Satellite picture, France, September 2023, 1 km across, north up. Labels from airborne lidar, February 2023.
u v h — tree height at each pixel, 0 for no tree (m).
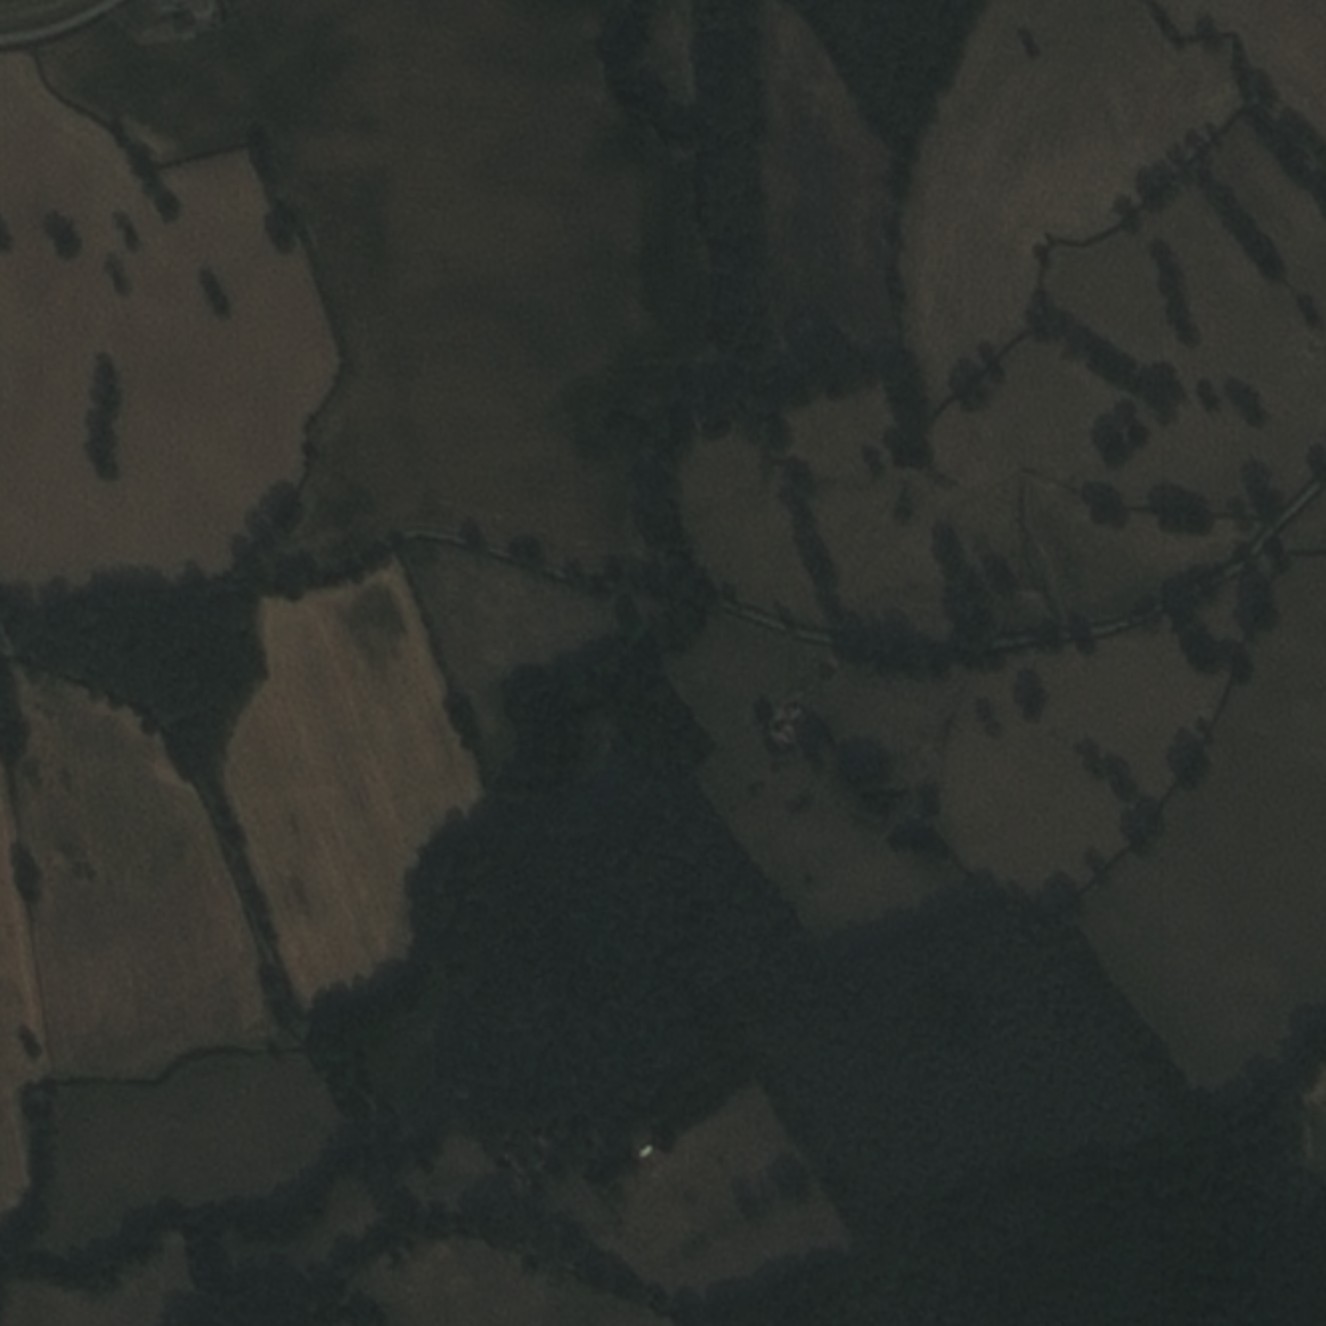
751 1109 0
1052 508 0
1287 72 0
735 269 23
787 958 26
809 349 25
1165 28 15
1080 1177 23
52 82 0
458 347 0
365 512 0
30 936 0
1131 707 0
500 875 26
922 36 20
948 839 0
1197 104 0
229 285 0
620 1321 0
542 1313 0
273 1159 0
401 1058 0
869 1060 25
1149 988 0
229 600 19
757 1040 23
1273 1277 24
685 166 0
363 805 0
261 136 12
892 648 19
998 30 0
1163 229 0
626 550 0
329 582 7
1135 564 0
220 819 11
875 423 0
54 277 0
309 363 0
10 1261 24
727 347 20
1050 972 20
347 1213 0
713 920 30
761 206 15
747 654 0
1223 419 0
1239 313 0
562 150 0
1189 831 0
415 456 0
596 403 0
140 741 0
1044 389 0
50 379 0
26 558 0
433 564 0
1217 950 0
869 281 0
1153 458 0
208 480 0
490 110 0
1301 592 0
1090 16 0
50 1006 0
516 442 0
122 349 0
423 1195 0
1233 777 0
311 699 0
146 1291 0
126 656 22
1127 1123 25
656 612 0
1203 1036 0
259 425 0
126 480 0
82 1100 0
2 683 21
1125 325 0
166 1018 0
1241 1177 9
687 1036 24
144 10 0
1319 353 0
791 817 9
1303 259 0
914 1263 15
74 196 0
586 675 23
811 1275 16
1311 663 0
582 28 0
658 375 0
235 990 0
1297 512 0
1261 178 0
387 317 0
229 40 0
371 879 0
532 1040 18
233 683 25
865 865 0
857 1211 19
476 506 0
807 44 0
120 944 0
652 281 0
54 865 0
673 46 0
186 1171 0
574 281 0
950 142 0
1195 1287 15
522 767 14
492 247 0
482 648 0
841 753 0
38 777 0
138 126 0
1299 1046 16
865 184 0
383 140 0
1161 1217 19
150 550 0
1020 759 0
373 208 0
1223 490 0
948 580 17
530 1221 23
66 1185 0
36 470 0
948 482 0
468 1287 0
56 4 0
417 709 0
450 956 34
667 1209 0
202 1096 0
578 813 29
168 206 14
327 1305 21
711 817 19
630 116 0
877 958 25
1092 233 0
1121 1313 20
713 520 0
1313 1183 10
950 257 0
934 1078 25
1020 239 0
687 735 12
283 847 0
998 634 0
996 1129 23
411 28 0
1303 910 0
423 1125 12
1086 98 0
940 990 25
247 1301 27
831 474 0
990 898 24
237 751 0
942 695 0
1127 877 0
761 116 21
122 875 0
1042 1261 23
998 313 0
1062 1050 27
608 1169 16
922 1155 25
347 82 0
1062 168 0
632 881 30
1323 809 0
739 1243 0
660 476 23
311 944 0
